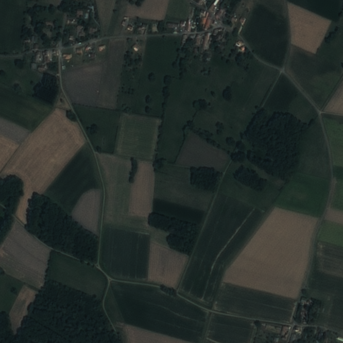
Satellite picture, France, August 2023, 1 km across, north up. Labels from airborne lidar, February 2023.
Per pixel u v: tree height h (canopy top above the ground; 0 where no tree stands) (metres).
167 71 0
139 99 0
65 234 30
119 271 0
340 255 0
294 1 0
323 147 0
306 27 0
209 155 0
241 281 0
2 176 0
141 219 0
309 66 0
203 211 0
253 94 0
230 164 0
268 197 0
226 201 0
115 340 26
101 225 0
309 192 0
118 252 0
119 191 0
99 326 9
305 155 0
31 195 0
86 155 0
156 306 0
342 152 0
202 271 0
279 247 0
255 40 0
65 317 27
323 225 0
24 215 0
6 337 6
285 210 0
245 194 0
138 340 0
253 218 0
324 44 0
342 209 0
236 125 0
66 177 0
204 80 0
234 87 0
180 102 0
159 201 0
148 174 0
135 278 0
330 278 0
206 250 0
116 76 0
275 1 0
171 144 0
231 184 0
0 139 0
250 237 0
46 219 30
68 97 0
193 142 0
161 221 21
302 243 0
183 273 0
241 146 23
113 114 0
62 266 0
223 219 0
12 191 25
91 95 0
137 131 0
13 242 0
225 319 0
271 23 0
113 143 0
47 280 10
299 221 0
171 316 0
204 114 0
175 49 0
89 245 11
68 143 0
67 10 17
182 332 0
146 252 0
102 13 0
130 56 9
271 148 23
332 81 0
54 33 0
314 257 0
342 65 0
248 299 0
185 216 0
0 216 0
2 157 0
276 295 0
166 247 0
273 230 0
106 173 0
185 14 0
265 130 23
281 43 0
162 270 0
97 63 0
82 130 0
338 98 0
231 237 0
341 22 0
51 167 0
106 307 0
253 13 0
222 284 0
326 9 0
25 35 12
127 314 0
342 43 0
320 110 0
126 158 0
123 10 0
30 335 27
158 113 0
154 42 0
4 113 0
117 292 0
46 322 22
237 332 0
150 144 0
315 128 0
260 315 0
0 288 0
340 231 0
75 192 0
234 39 0
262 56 0
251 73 0
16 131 0
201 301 0
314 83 0
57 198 0
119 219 0
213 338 0
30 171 0
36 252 0
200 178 16
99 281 0
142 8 0
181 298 0
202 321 0
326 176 0
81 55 0
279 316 0
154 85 0
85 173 0
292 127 25
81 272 0
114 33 0
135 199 0
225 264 0
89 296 6
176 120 0
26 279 0
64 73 0
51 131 0
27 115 0
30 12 15
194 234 17
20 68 12
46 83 21
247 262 0
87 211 0
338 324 0
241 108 0
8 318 21
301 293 0
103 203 0
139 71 0
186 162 0
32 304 11
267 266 0
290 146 22
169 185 0
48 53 0
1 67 0
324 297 0
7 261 0
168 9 0
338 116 0
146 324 0
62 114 0
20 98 0
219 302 0
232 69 0
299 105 0
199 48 12
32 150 0
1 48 0
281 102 0
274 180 0
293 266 0
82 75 0
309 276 0
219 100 0
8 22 0
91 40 0
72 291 7
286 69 0
